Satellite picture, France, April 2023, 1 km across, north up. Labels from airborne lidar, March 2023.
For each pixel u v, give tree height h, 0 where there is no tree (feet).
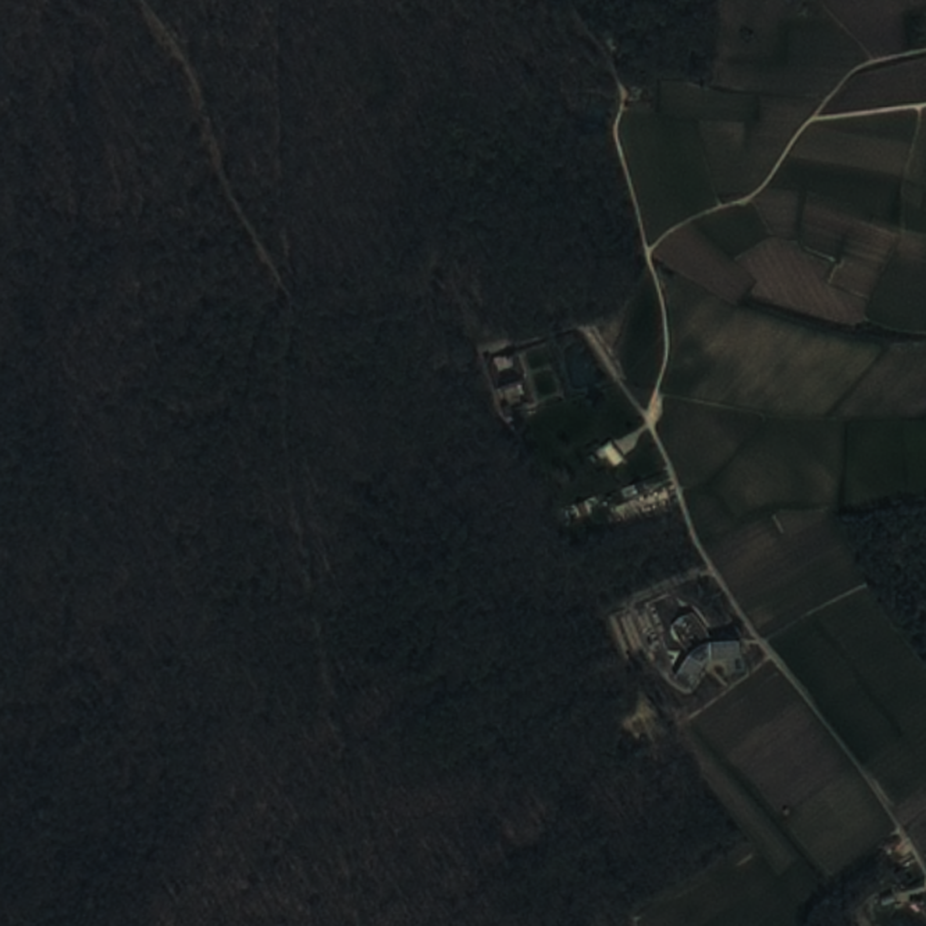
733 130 0
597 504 0
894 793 0
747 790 0
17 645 60
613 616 0
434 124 92
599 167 72
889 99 0
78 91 53
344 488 86
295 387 75
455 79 81
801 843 0
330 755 78
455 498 64
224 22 76
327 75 85
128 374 70
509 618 76
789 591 0
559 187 84
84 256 58
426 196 89
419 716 82
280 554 67
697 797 87
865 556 44
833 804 0
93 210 73
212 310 78
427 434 87
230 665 78
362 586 88
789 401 0
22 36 71
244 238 49
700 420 0
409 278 84
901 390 0
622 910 58
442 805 90
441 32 80
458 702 78
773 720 0
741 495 0
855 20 0
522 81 92
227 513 77
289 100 68
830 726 0
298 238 64
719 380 0
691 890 0
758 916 0
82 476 65
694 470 0
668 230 0
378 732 88
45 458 58
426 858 65
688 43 66
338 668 76
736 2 0
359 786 86
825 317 0
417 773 79
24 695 69
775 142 0
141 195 83
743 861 0
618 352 0
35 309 77
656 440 0
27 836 83
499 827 93
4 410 79
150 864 79
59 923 73
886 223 0
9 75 69
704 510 0
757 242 0
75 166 79
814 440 0
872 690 0
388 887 72
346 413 93
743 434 0
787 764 0
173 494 71
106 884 58
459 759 91
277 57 65
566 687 82
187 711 66
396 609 90
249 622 81
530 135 94
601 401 73
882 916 0
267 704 72
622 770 77
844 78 0
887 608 45
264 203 59
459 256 73
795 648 0
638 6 76
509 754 85
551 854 79
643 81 43
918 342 0
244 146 81
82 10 73
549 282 92
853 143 0
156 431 64
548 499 65
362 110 78
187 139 72
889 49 0
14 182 77
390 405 92
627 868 63
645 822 85
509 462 86
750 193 0
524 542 99
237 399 67
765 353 0
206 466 71
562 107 71
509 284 92
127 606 70
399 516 70
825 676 0
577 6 54
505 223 80
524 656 73
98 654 54
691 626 0
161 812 64
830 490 0
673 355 0
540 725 71
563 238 103
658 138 0
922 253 0
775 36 0
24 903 74
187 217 73
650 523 85
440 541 77
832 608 0
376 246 91
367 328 85
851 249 0
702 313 0
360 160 95
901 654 0
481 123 77
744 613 0
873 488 0
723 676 0
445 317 76
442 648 87
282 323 66
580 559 79
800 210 0
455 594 73
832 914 66
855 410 0
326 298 84
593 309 82
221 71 76
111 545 72
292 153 67
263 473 69
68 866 83
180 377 65
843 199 0
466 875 68
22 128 69
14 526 70
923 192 0
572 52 73
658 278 0
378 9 93
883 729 0
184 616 74
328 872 77
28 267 58
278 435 69
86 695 79
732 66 0
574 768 79
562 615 83
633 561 90
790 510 0
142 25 82
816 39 0
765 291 0
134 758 64
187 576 64
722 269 0
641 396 0
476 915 81
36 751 74
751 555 0
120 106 68
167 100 73
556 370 47
